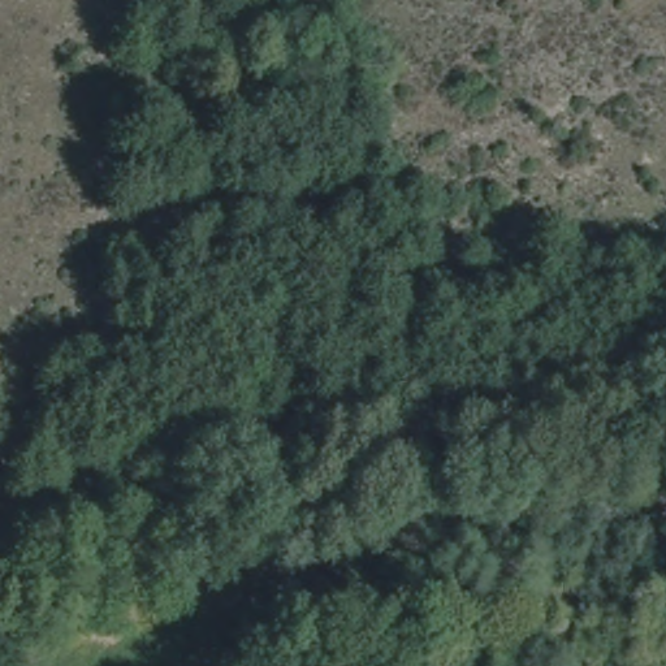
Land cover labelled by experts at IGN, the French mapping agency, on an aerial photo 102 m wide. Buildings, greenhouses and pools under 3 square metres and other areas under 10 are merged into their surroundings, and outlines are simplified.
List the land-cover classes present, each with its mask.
<instances>
[{"label":"deciduous trees","instance_id":"1","mask_svg":"<svg viewBox=\"0 0 666 666\"><path fill-rule=\"evenodd\" d=\"M401 55V44L393 39L390 31L380 26L369 29L367 18L362 16V0H140L135 5V26L117 47V57L143 75L146 109L133 114L138 133L122 138V148L127 151V180L112 190L114 203L107 211L112 221L120 216H133L164 200H182L193 219L177 226L174 239L153 258L151 252H146L130 263L117 260L114 276L109 281V294L114 297L117 323L125 338L101 343L96 336H83L78 341H65L55 349V356L49 359L44 377L36 385L42 403L47 406L44 427L16 460L0 468V666H666V531L653 533L650 526L640 528V523H624L617 531H609L593 515H554L536 518L533 523L528 513H520L507 526L481 523V531H463L460 515L429 513L403 526L395 536H390L385 552H372V546H367L354 557H338L304 567H286L278 554H265L258 565L242 567L234 580L224 583L216 591L208 580H203V575L208 570L206 541L219 536V526L213 515L200 510V505L195 502L198 489L187 481L182 458L190 455L206 437L213 445L226 440L237 450L242 442L250 447H260L271 437H278V458L284 463L289 484L294 486L302 479H310L312 471L320 466L323 445L333 429L336 406L349 408L362 403H377L385 395H390L398 401V414H406L434 385H502L510 364L518 359L541 362L549 351L557 356L567 349L578 354L609 351L614 349L617 325L622 320H635L648 312V294L653 289L661 297H666V247L653 250L643 239L630 237L619 245L593 250L583 242L580 226L562 211H554L549 206L533 208L528 203H513L497 211L484 229L455 232L453 219L466 213V190L453 187L445 193L434 174H424L416 167H403V153L398 148L382 153L380 140L390 133L395 122V107L406 99V86H390L380 73L393 68L395 57Z\"/></svg>","mask_w":666,"mask_h":666},{"label":"herbaceous vegetation","instance_id":"2","mask_svg":"<svg viewBox=\"0 0 666 666\"><path fill-rule=\"evenodd\" d=\"M140 0H0V468L16 460L44 427L47 406L42 403L36 385L44 377L49 359L55 356V349L65 341H78L83 336H96L101 343L125 338L117 323L114 297L109 294V281L114 276L117 260L130 263L146 252H151L153 258L174 239L177 226L193 219L182 200H164L133 216H120L112 221L107 211L114 203L112 190L127 180V151L122 148V138L138 133L133 114L146 109L143 75L117 57V47L135 26V5ZM362 16L367 18L369 29L380 26L390 31L393 39L401 44V55L395 57L393 68L380 73L390 86H406V99L395 107V122L390 133L401 138L411 130H445L455 148H468L471 143L489 146L492 140H502L505 159L494 164L489 180H494L513 203H528L533 208L549 206L554 211H562L580 226L583 242L593 250L619 245L630 237L643 239L653 250L666 247V0H362ZM486 42L497 44V65L502 70L505 94L502 104L486 114L460 109L455 104L450 107L440 96L442 81L455 68L473 73L486 70V62L473 57L476 49ZM643 55H663V62H658L656 70L648 75L635 73L632 62ZM617 94H630L632 101L648 104L650 133L656 135V140L645 151L640 146H632V138L617 130L611 120L596 114V109H570L572 96H585L601 104ZM533 109H541L546 117H552L557 125L567 130L588 122L591 135L596 140V161L562 167L557 161V146L552 143V138H546L533 122H528ZM632 164H643V167H648V172H650V174L656 177L653 193H645V190H643V185H640V182L635 180V174H632Z\"/></svg>","mask_w":666,"mask_h":666},{"label":"coniferous trees","instance_id":"3","mask_svg":"<svg viewBox=\"0 0 666 666\"><path fill-rule=\"evenodd\" d=\"M278 437H271L260 447H250L242 442L237 450L226 440L213 445L206 437L190 455L182 458L187 481L198 489L195 502L200 505V510L213 515L219 526V536L206 541L208 570L203 575V580H208L216 591L224 583L234 580L242 567L258 565L265 554H278L286 567H304L338 557H354L367 546H372V552H385L390 536H395L403 526L429 513L460 515L463 531H481V523L507 526L520 513H528L533 523L536 518L554 515H593L609 531H617L624 523H640V528L650 526L653 533L666 531V297H661L653 289L648 294V312L635 320H622L617 325L614 349L609 351L578 354L567 349L557 356L549 351L541 362L518 359L510 364L502 385H434L406 414H398V401L390 395H385L377 403H362L349 408L336 406L333 429L323 445L320 466L312 471L310 479H302L294 486L289 484L284 463L278 458Z\"/></svg>","mask_w":666,"mask_h":666},{"label":"brushwood","instance_id":"4","mask_svg":"<svg viewBox=\"0 0 666 666\"><path fill-rule=\"evenodd\" d=\"M473 57L486 62V70L473 73L455 68L442 81L440 96L450 107L455 104L460 109L486 114L502 104L505 94L502 70L497 65V44L486 42L476 49ZM658 62H663V55H643L632 62L635 73L648 75L656 70ZM570 109H596V114L611 120L617 130L632 138V146H640L645 151L656 140V135L650 133L648 104L632 101L630 94H617L601 104L585 96H572ZM528 122H533L546 138H552V143L557 146V161L562 167L596 161V140L591 135L588 122L567 130L557 125L552 117H546L541 109H533ZM382 153L398 148L403 153V167H416L424 174H434L445 193L453 187L466 190V213L453 219L455 232L484 229L497 211L513 203L494 180H489L494 164L505 159L502 140H492L489 146L471 143L468 148H455L445 130H411L401 138L390 133L380 140ZM632 174H635V180L640 182V185H643V190H645V193H653L656 177L650 174V172H648V167H643V164H632Z\"/></svg>","mask_w":666,"mask_h":666}]
</instances>
